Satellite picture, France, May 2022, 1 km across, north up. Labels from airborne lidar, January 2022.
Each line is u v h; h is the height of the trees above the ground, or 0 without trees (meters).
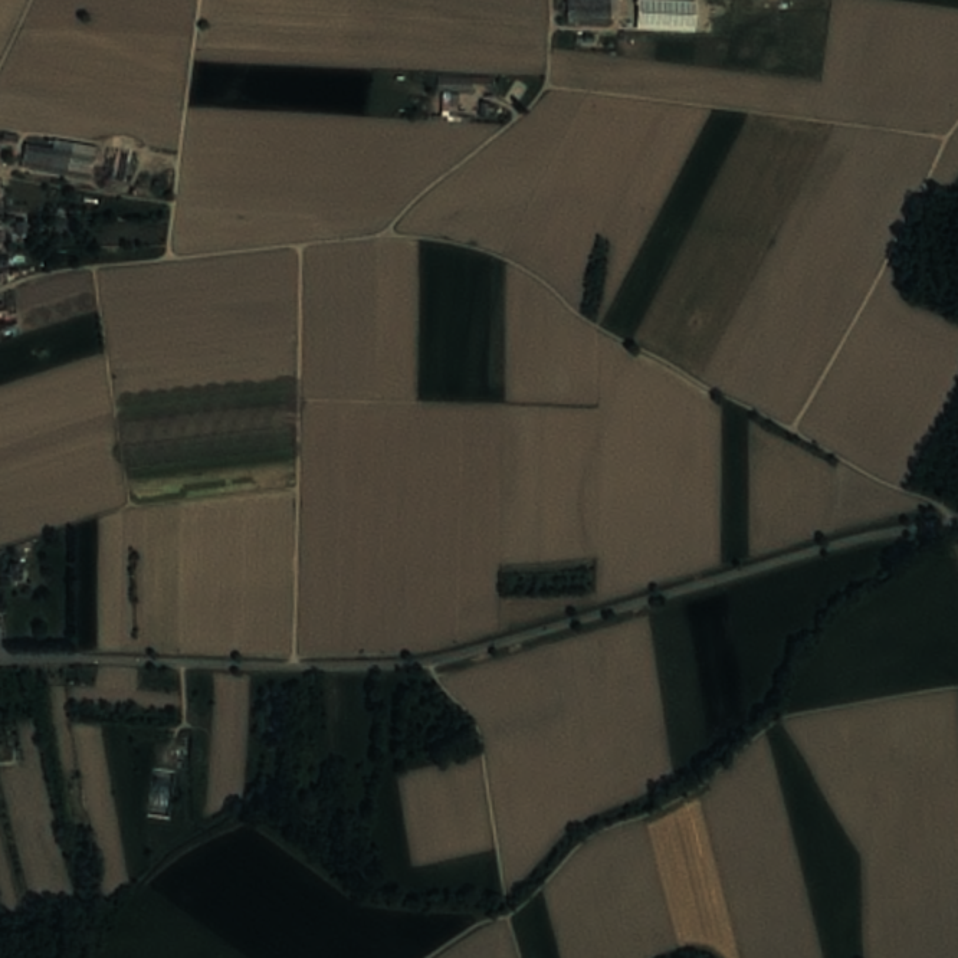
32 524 0
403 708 18
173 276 0
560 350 0
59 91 0
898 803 0
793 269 0
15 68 0
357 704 0
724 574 0
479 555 0
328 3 0
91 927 9
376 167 0
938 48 0
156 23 0
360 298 0
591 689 0
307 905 0
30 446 0
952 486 18
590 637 0
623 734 0
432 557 0
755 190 0
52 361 0
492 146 0
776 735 0
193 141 0
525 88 0
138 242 9
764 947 0
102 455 0
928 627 0
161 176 0
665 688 0
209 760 0
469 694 0
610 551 0
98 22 0
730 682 0
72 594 13
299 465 0
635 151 0
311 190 0
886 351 0
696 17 0
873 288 0
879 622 0
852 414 0
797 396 0
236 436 0
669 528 0
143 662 0
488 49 0
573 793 0
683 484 0
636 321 0
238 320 0
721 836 0
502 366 0
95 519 0
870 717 0
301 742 14
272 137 0
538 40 0
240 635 0
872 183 0
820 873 0
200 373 0
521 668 0
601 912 0
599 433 0
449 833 0
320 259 0
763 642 0
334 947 0
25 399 0
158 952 0
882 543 0
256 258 0
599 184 0
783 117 0
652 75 0
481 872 0
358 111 0
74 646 17
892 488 0
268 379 0
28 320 0
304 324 0
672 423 0
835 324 0
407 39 0
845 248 0
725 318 0
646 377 0
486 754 0
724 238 0
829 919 0
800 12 0
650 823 0
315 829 7
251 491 0
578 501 0
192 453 0
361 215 0
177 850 0
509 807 0
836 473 0
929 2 0
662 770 0
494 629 0
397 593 0
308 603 0
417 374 0
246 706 0
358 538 0
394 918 0
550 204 0
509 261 0
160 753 0
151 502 0
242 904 0
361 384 0
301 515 0
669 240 0
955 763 0
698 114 0
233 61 0
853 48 0
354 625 0
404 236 0
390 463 0
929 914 0
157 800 0
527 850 0
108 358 0
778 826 0
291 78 0
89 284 0
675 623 0
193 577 0
